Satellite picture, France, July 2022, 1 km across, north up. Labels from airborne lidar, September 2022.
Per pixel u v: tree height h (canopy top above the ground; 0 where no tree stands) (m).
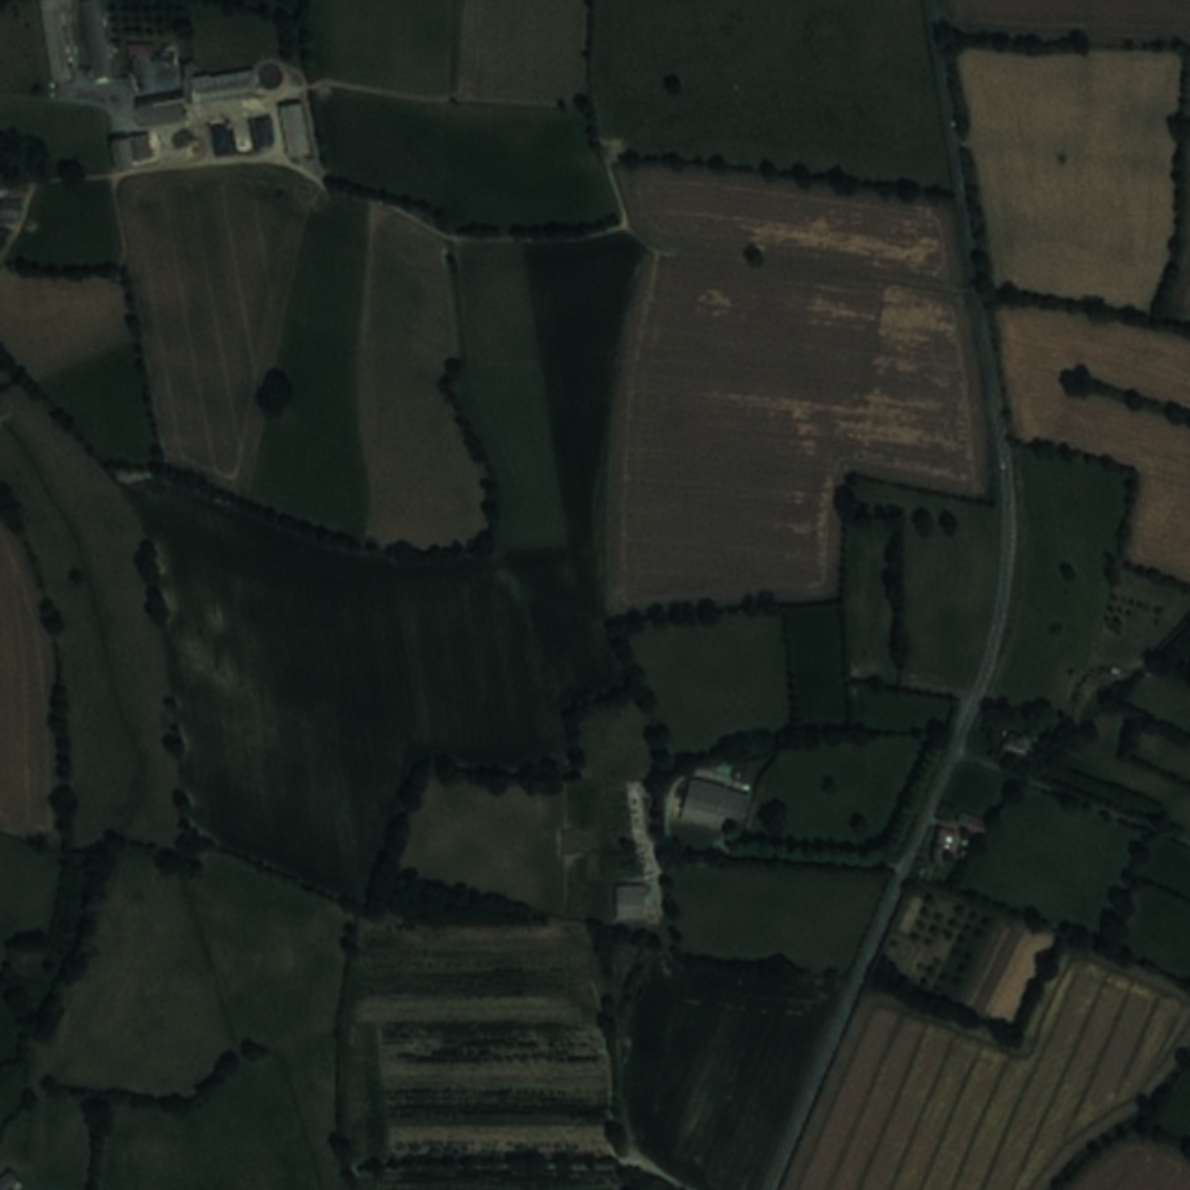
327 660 0
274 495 0
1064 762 21
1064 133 0
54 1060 0
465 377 0
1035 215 0
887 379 0
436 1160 13
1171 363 0
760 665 0
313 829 0
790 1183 0
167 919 0
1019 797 18
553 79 0
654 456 0
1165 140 0
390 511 0
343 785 0
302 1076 0
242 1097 0
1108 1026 0
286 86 0
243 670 0
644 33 0
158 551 12
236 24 0
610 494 0
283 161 0
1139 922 0
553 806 0
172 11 7
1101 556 0
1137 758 7
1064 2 0
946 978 6
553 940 0
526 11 0
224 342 0
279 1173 0
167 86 0
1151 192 0
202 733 0
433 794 0
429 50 0
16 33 0
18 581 0
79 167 11
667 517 0
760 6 0
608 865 0
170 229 0
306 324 0
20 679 0
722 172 13
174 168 0
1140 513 0
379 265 0
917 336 0
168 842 0
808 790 0
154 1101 9
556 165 0
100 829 0
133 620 0
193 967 0
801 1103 0
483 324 0
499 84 0
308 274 0
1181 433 0
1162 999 0
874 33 0
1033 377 0
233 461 0
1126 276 0
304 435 0
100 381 0
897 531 16
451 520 0
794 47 0
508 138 0
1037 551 0
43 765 0
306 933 0
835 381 0
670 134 0
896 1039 0
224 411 0
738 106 0
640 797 0
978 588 0
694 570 0
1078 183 0
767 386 0
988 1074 0
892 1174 0
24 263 13
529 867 0
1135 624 0
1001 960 0
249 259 0
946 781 0
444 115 0
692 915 0
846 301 0
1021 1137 0
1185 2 0
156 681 0
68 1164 0
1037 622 0
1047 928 6
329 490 0
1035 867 0
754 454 0
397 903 11
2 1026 0
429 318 0
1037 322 0
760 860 8
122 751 0
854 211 0
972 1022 14
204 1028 0
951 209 0
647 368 0
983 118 0
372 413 0
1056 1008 0
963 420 0
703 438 0
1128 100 0
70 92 0
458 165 0
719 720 0
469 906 14
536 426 0
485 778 16
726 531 0
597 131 9
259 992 0
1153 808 8
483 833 0
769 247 0
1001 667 0
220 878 0
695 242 0
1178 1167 0
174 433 0
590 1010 0
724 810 0
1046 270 0
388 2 0
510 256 0
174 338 0
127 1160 0
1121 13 0
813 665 0
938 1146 0
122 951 0
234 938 0
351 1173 14
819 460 0
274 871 9
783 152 0
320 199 0
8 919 0
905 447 0
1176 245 12
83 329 0
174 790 0
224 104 0
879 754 0
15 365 12
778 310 0
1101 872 0
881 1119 0
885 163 0
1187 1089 0
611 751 0
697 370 0
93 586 0
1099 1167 0
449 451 0
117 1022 0
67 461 0
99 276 6
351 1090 0
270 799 0
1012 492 0
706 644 0
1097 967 0
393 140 0
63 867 10
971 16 0
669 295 0
